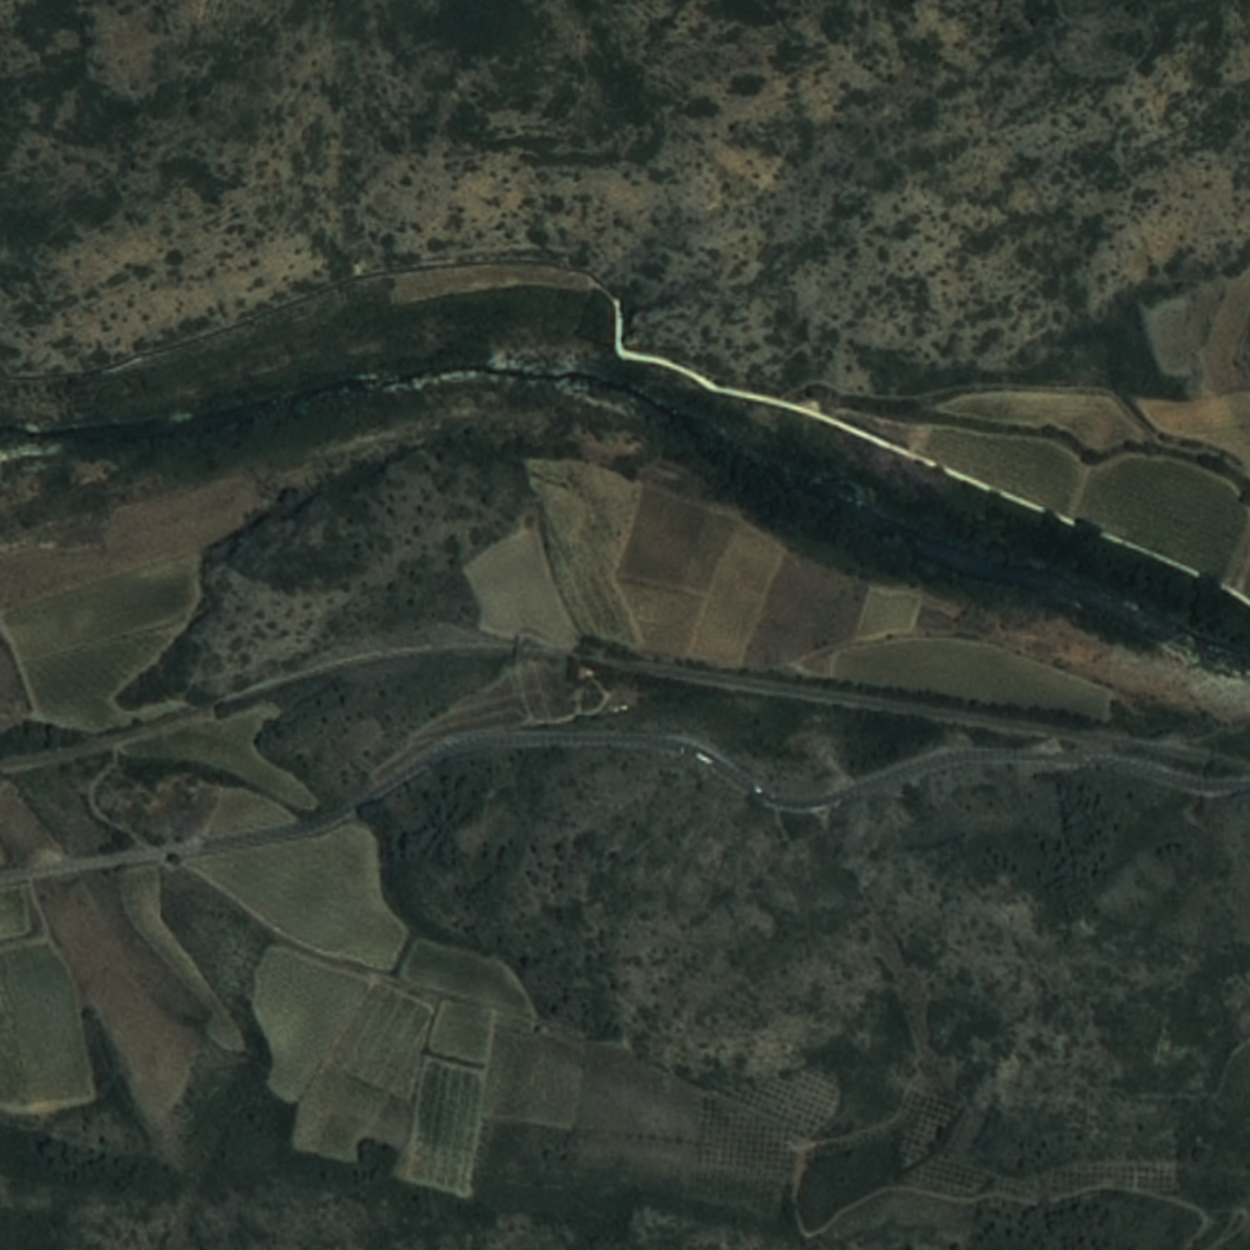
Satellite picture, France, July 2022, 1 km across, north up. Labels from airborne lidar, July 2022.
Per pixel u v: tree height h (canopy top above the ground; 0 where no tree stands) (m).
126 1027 0
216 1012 0
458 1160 0
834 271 0
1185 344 0
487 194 0
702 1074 0
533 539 0
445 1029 0
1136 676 0
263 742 9
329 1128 0
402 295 0
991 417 0
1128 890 0
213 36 0
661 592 0
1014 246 0
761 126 0
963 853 0
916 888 0
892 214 0
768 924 0
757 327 0
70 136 0
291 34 0
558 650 0
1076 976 0
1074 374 0
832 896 0
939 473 10
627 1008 0
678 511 0
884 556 12
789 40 0
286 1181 0
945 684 0
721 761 0
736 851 0
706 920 0
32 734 10
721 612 0
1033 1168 9
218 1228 0
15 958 0
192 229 0
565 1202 0
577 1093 0
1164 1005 0
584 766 0
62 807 0
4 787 0
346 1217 0
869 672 0
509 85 0
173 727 0
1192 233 0
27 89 0
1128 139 0
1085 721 10
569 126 0
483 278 0
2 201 0
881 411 7
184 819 0
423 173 0
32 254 0
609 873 0
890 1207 0
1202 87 0
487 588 0
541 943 0
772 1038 0
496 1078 0
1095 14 0
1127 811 0
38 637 0
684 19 0
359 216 0
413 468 0
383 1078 0
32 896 0
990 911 0
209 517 0
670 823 0
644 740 0
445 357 6
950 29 0
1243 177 0
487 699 0
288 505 12
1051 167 0
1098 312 0
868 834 0
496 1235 0
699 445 9
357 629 0
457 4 0
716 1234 0
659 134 0
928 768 0
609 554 0
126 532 0
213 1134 0
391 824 10
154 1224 0
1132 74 0
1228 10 0
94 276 0
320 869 0
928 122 0
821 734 0
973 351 0
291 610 0
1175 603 13
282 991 0
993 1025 0
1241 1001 0
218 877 0
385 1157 14
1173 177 0
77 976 0
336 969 0
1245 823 0
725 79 0
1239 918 0
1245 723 0
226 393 7
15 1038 0
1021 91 0
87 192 0
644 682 11
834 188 0
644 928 0
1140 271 0
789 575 0
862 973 0
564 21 0
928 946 0
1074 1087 0
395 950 0
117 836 7
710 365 0
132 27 0
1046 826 0
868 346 0
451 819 7
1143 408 0
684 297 0
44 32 0
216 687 0
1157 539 0
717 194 0
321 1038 0
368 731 0
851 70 0
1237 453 0
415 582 9
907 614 0
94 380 7
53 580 0
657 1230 0
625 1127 0
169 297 0
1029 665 0
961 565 0
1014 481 0
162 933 0
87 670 0
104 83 0
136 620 0
